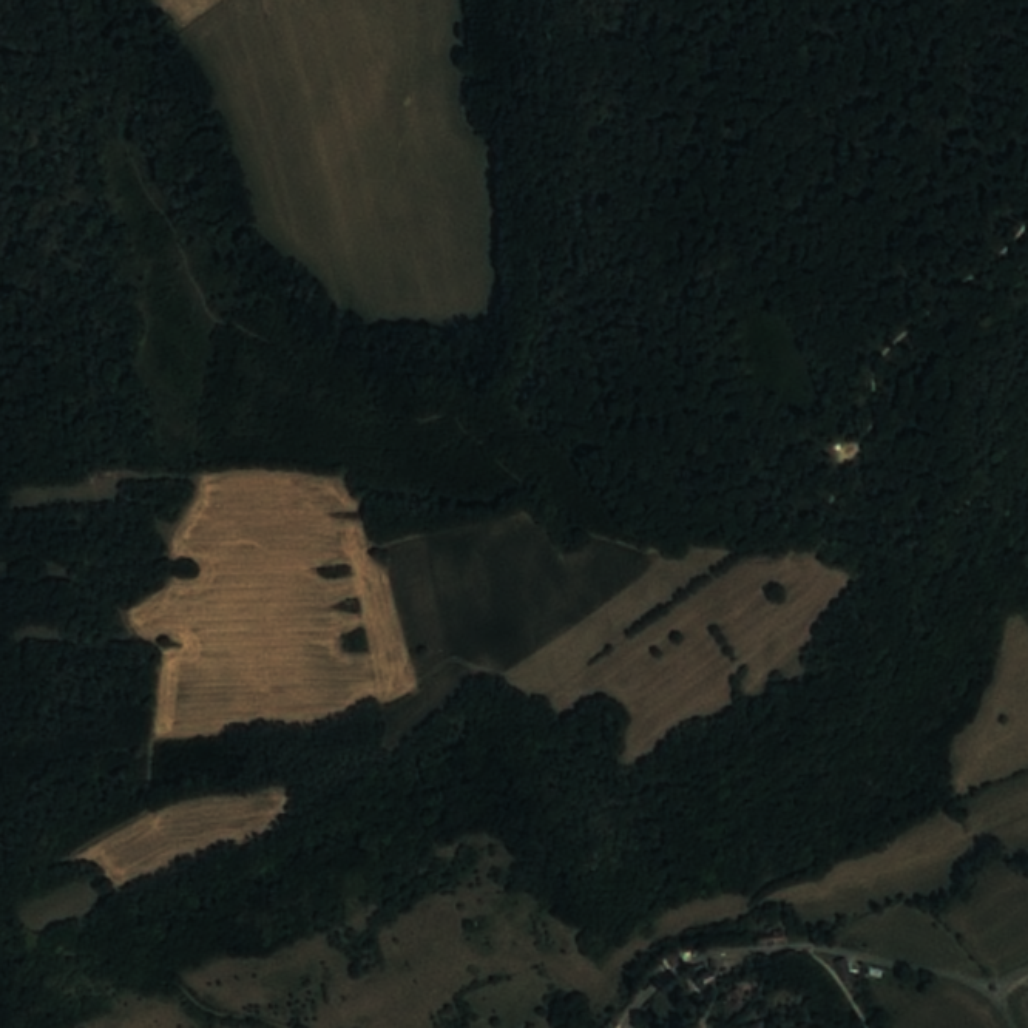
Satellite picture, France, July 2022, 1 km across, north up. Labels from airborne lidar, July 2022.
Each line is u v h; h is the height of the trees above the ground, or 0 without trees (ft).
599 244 72
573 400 77
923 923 0
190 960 41
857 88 73
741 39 79
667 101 68
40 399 64
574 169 53
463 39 27
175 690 0
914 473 71
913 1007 0
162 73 85
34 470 69
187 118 87
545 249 58
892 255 77
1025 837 0
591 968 0
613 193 57
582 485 22
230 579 0
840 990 31
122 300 62
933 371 72
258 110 0
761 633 0
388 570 0
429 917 0
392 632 0
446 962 0
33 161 63
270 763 68
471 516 71
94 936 59
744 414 74
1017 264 54
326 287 57
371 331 44
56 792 47
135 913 71
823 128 71
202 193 85
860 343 69
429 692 0
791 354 0
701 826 65
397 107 0
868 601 63
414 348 59
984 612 65
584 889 45
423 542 0
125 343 62
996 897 0
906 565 61
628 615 0
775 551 49
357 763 54
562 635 0
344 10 0
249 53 0
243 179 72
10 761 36
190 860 55
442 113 0
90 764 60
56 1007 24
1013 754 0
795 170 70
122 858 0
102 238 57
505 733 72
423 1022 0
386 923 43
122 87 88
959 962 0
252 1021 35
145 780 36
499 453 17
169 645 36
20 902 55
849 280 77
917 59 84
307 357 24
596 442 91
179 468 27
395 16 0
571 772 39
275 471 32
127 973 48
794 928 30
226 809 0
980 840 0
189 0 0
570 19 50
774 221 66
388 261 0
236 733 67
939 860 0
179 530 0
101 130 79
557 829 64
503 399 22
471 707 71
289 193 0
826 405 50
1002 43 71
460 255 0
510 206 76
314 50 0
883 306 79
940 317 42
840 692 64
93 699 54
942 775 66
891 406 72
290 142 0
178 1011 0
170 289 18
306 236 0
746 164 83
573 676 0
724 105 82
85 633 37
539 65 76
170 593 0
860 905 0
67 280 57
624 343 76
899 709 51
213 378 37
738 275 69
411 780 62
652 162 66
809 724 70
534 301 62
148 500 53
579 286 63
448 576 0
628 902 39
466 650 0
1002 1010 0
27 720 47
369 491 40
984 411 50
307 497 0
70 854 19
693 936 22
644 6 67
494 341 82
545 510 56
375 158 0
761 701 37
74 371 63
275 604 0
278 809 0
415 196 0
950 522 56
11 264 78
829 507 63
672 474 73
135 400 61
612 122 50
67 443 39
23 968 64
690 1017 78
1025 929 0
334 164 0
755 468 66
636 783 48
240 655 0
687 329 74
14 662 56
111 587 51
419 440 21
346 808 71
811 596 0
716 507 80
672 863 63
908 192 64
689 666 0
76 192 58
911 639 47
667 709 0
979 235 78
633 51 70
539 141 73
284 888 93
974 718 55
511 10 71
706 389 87
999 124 79
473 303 0
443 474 29
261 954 65
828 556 57
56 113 64
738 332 75
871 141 86
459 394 29
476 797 81
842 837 53
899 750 53
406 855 41
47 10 76
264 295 48
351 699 0
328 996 26
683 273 87
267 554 0
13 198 64
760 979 30
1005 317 68
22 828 62
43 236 71
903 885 0
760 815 48
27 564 45
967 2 65
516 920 0
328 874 75
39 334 81
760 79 80
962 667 62
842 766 46
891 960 0
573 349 68
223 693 0
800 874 38
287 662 0
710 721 37
